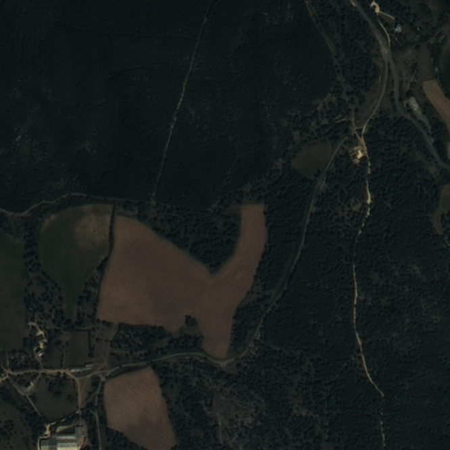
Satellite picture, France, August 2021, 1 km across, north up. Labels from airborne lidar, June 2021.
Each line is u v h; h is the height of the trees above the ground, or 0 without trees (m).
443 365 12
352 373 12
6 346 0
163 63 8
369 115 0
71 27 6
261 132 8
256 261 0
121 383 0
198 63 7
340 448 6
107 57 9
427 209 10
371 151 9
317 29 8
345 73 11
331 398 10
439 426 14
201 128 7
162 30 8
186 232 10
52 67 8
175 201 9
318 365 9
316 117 11
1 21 8
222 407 0
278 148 6
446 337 10
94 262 0
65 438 0
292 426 8
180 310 0
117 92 10
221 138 8
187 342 11
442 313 8
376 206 10
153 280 0
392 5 20
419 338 11
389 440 11
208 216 7
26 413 9
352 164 10
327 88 7
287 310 11
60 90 6
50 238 0
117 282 0
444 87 7
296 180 16
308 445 8
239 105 6
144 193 9
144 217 11
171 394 0
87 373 0
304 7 9
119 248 0
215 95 7
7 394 9
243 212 0
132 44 7
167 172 8
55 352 0
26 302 9
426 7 8
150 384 0
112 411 0
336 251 11
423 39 7
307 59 9
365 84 7
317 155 0
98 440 11
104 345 0
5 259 0
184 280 0
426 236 16
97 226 0
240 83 8
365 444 13
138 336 8
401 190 15
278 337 12
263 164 9
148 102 7
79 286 0
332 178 8
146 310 0
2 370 9
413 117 9
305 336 13
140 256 0
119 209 0
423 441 11
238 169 8
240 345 8
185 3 9
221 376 10
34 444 9
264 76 8
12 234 7
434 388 13
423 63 0
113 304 0
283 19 7
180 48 7
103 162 7
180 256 0
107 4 8
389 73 6
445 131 7
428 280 11
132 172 10
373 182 13
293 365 9
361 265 9
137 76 6
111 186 10
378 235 14
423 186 10
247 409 0
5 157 6
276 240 14
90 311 0
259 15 11
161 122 8
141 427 0
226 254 14
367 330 8
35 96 8
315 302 9
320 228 10
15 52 8
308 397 7
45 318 11
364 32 13
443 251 11
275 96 7
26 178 6
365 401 7
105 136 6
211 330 0
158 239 0
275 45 8
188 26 6
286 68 6
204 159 8
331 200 12
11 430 6
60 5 8
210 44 9
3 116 6
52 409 0
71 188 7
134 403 0
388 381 15
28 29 7
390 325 8
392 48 6
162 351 7
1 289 0
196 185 9
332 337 10
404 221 15
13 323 0
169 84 8
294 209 14
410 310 14
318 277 10
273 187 11
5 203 8
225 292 0
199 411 11
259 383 9
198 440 8
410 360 12
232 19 7
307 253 11
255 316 10
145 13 8
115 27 9
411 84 7
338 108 11
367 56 7
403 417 7
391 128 12
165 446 0
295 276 12
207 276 0
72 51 7
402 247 12
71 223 0
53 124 7
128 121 11
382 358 11
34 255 10
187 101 5
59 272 0
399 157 9
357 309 8
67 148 7
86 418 10
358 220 9
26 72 7
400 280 5
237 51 9
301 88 9
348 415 10
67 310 0
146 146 9
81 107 7
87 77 7
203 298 0
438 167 7
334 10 8
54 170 6
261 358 8
